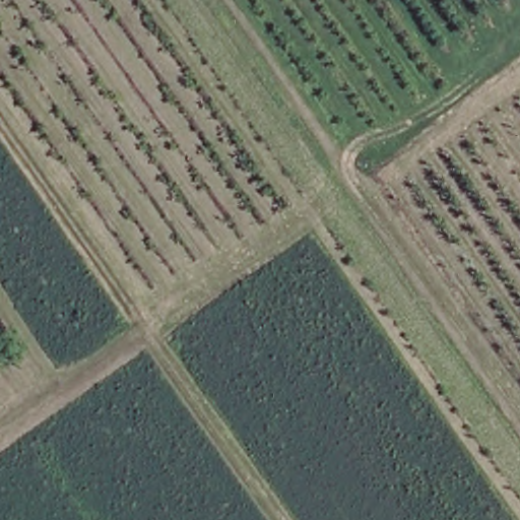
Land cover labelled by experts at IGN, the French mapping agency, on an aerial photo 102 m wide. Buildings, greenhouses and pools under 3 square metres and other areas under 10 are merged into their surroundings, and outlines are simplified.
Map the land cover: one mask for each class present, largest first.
<instances>
[{"label":"herbaceous vegetation","instance_id":"1","mask_svg":"<svg viewBox=\"0 0 520 520\"><path fill-rule=\"evenodd\" d=\"M140 2L146 4L156 24L171 37V43L177 47L179 55L187 63L185 69L179 71L173 57L167 51L158 49L156 37L142 26L140 12L136 10ZM435 2H443L445 10L459 24V30H447L445 22L433 10ZM423 20L433 28L435 37L439 39L437 47H431L418 35L410 14L402 8L398 0H0V73H6L8 81L18 89L22 98V104L16 108L12 104L10 93L0 83V110L10 120L18 136L26 142L39 165L47 171L51 183L73 209V215L81 223L87 221V230L104 246L102 252L106 260L112 264L118 278L124 280L128 293L134 297L136 307L142 315V321L128 323L130 331L122 333L118 339L102 347L100 351L71 364L57 366L39 345L20 313L14 309L8 293L0 288V323L6 329H16V339L22 341L26 347L20 362L0 368V453L8 449L14 441H18L22 435L45 423L51 414L59 412L69 402L77 400L81 394L91 390L93 384L106 380L116 370H120L144 351L152 358L160 376L167 380V384L173 388V392L187 408L191 418L197 423L207 441L219 453L221 461L236 477V481L242 485V490L250 496L252 504L264 520H295L282 504V500L264 479L252 457L246 453L238 437L232 433L225 418L219 414L213 402L199 390L193 376L187 372L179 353L171 347L169 341L175 327L187 321L189 315L197 313L201 307L217 299L223 293V288H228L232 282L268 264L274 256L288 250L303 236L317 240L325 248V252L337 264V270L349 280L351 288L372 311V317L384 329V333L400 353L402 362L418 378L420 386L427 390L433 404L449 423L459 443L469 451L473 463L483 471V475L500 494V498L508 504L516 520H520V349L512 341L510 333L496 319L494 311L490 309V301L496 299L504 307V315L518 329L520 335V309L514 305L504 282L498 280L496 274L490 270L485 258L473 246L469 234L477 230L481 234V240L488 242L496 260L510 274L514 286L520 293V230L514 225L510 213H506V209L500 205V199L508 197L520 209V0H412ZM278 35L282 37L286 47L301 59L303 67L311 75V81H301L295 65L288 63V57L274 47L272 39ZM418 53L425 55V61L439 65L443 69V73L433 83L420 75V71H425V63L416 67L412 65V59H416ZM189 69L207 91L201 100L193 89L185 87ZM163 81L169 83V89L187 108L183 114H179L175 106H169L160 100L158 83ZM193 118L195 124L205 132L207 140L213 144L215 152L223 160V167L232 173L234 179L223 181L217 175L213 163L205 154L197 152L199 140L187 126V122ZM39 126H43L47 134L53 136V142L65 156L63 165L47 156V144L37 136ZM230 126L242 140L244 148L250 152L260 175H248V171L236 167V150L225 134ZM142 136H146V142L152 144L154 156L160 158L171 179L181 187V191L191 201L195 209L191 217L185 213L179 201H171L167 197L165 183L156 181V167H152L146 154L136 148V140ZM461 140H469L473 144L477 156L483 158V165H473L469 160L467 152L459 144ZM437 148L451 156L453 163L459 167V173L471 181L473 189L488 205L483 211L477 213L471 201L465 197V193H461L455 179L449 175L447 167L437 156ZM87 154H95L100 158L102 167L108 173L106 183L93 171V165L87 160ZM420 158L431 165V171L451 191L461 211L469 215L471 223H465L461 215L453 217L449 213L447 205L439 199L437 191L429 187V181L425 179V173L418 167ZM260 177H264L276 189V193L286 199V207L282 211L274 213L272 199L258 193L256 181ZM244 193L252 199V203L264 217V223L258 225L248 211L240 209L238 199ZM425 213H437L439 217H443L445 230L451 236H455L459 244H447L431 225V221L425 219ZM488 213H492L500 221L502 230L514 242L512 246L502 248L498 236H494L488 223L483 221ZM120 242H126L134 258L140 262V268L136 272L118 248ZM410 331H418L414 347L418 351H425L420 360L406 349L404 339L400 337V333L408 335ZM437 384H441L443 388H445V386H451V388H453V396H451V400H453V404L457 406V412H455V414H453V412L449 410V406H447L445 398H443V396H441V394L437 392V388H435Z\"/></svg>","mask_w":520,"mask_h":520},{"label":"agricultural land","instance_id":"2","mask_svg":"<svg viewBox=\"0 0 520 520\"><path fill-rule=\"evenodd\" d=\"M0 288L8 293L14 309L20 313L39 345L57 366L71 364L100 351L102 347L118 339L122 333L130 331L128 323L122 321L116 307L106 297L104 288L98 284V280L83 264L81 256L67 242L51 213L47 211V207L43 205V201L39 199V195L35 193V189L18 171L6 148L0 144ZM171 347L179 353L187 372L193 376L199 390L213 402L219 414L225 418L232 433L238 437L246 453L252 457L264 479L282 500V504L295 520H516L508 504L500 498V494L483 475V471L473 463L469 451L459 443L449 423L433 404L427 390L420 386L418 378L402 362L400 353L384 333V329L372 317V311L351 288L349 280L337 270V264L325 252V248L317 240L303 236L288 250L274 256L268 264L232 282L228 288H223V293L217 299L201 307L197 313L189 315L187 321L175 327L169 341ZM0 520H264L252 504L250 496L242 490V485L236 481V477L221 461L219 453L207 441L197 423L191 418L187 408L173 392V388L167 384V380L160 376L152 358L144 351L120 370H116L106 380L93 384L91 390L81 394L77 400L69 402L59 412L51 414L45 423L22 435L18 441H14L8 449L0 453Z\"/></svg>","mask_w":520,"mask_h":520},{"label":"deciduous trees","instance_id":"3","mask_svg":"<svg viewBox=\"0 0 520 520\"><path fill-rule=\"evenodd\" d=\"M402 8L410 14L418 35L431 47H437L439 39L435 37L433 28L423 20L412 0H398ZM136 10L140 12L142 26L156 37L158 49L167 51L173 57L179 71L185 69L187 63L179 55L177 47L171 43V37L156 24L146 4L140 2ZM433 10L445 22L447 30H459V24L445 10L443 2H435ZM274 47L288 57V63L295 65L301 81H311V75L303 67L301 59L286 47L282 37L278 35L272 39ZM425 63V71H420V75L433 83L443 73V69L439 65L425 61V55L418 53L416 59H412V65L416 67ZM185 87L193 89L201 100L207 91L189 69ZM0 83L10 93L12 104L16 108L22 104V98L18 89L8 81L6 73H0ZM160 100L169 106H175L179 114H183L187 108L169 89V83L163 81L158 83ZM187 126L199 140L197 152L205 154L213 163L217 175L223 181L234 179L232 173L223 167V160L215 152L213 144L207 140L205 132L195 124L193 118L187 122ZM37 136L47 144V156L63 165L65 156L53 142V136L47 134L43 126H39ZM225 134L236 150V167L248 171V175H260L250 152L244 148L242 140L230 126ZM136 148L146 154L152 167H156V181L165 183L167 197L171 201H179L185 213L191 217L195 209L191 201L181 191V187L171 179L160 158L154 156L152 144L146 142V136H142L136 140ZM459 144L467 152L469 160L473 165H483V158L477 156L473 144L469 140H461ZM437 156L447 167L449 175L455 179L461 193H465V197L471 201L477 213L483 211L488 205L473 189L471 181L459 173V167L453 163L451 156L437 148ZM87 160L93 165V171L106 183L108 173L102 167L100 158L95 154H87ZM418 167L425 173V179L429 181V187L437 191L439 199L447 205L449 213L453 217L461 215L465 223H471L469 215L461 211L451 191L431 171V165L420 158ZM258 193L272 199L274 213L282 211L286 207V199L276 193V189L264 177H260L256 181ZM240 209L248 211L258 225L264 223V217L252 203V199L244 193L238 199ZM500 205L506 209V213H510L514 225L520 230V209L508 197L500 199ZM425 219L431 221V225L447 244H459L455 236H451L445 230L443 217H439L437 213H425ZM483 221L488 223L494 236H498L502 248L512 246L514 242L502 230L500 221L492 213H488ZM473 246L485 258L490 270L496 274L498 280L504 282L514 305L520 309V293L514 286L510 274L496 260L488 242L481 240V234L477 230L469 234ZM118 248L136 272L140 268V262L134 258L126 242H120ZM490 309L494 311L496 319L510 333L512 341L520 349V335L518 329L504 315V307L496 299L490 301ZM26 347L22 341L16 339V329H6L0 323V368L20 362ZM418 331H410L408 335L400 333V337L404 339L406 349L420 360L425 351H418L414 347ZM435 388H437V392L441 394V396H443V398H445L447 406H449V410L453 412V414H455V412H457V406L453 404V400H451V396H453V388H451V386H445V388H443L441 384H437Z\"/></svg>","mask_w":520,"mask_h":520},{"label":"pervious surface","instance_id":"4","mask_svg":"<svg viewBox=\"0 0 520 520\"><path fill-rule=\"evenodd\" d=\"M0 144L6 148L18 171L35 189V193L39 195V199L43 201V205L47 207V211L51 213L67 242L81 256L83 264L98 280V284L104 288L106 297L116 307L122 321L128 323L142 321V315L136 307L134 297L128 293L124 280L118 278L112 264L106 260L102 252L104 246L87 230V221L81 223L73 215V209L51 183L47 171L39 165L26 142L18 136L10 120L0 110Z\"/></svg>","mask_w":520,"mask_h":520}]
</instances>
